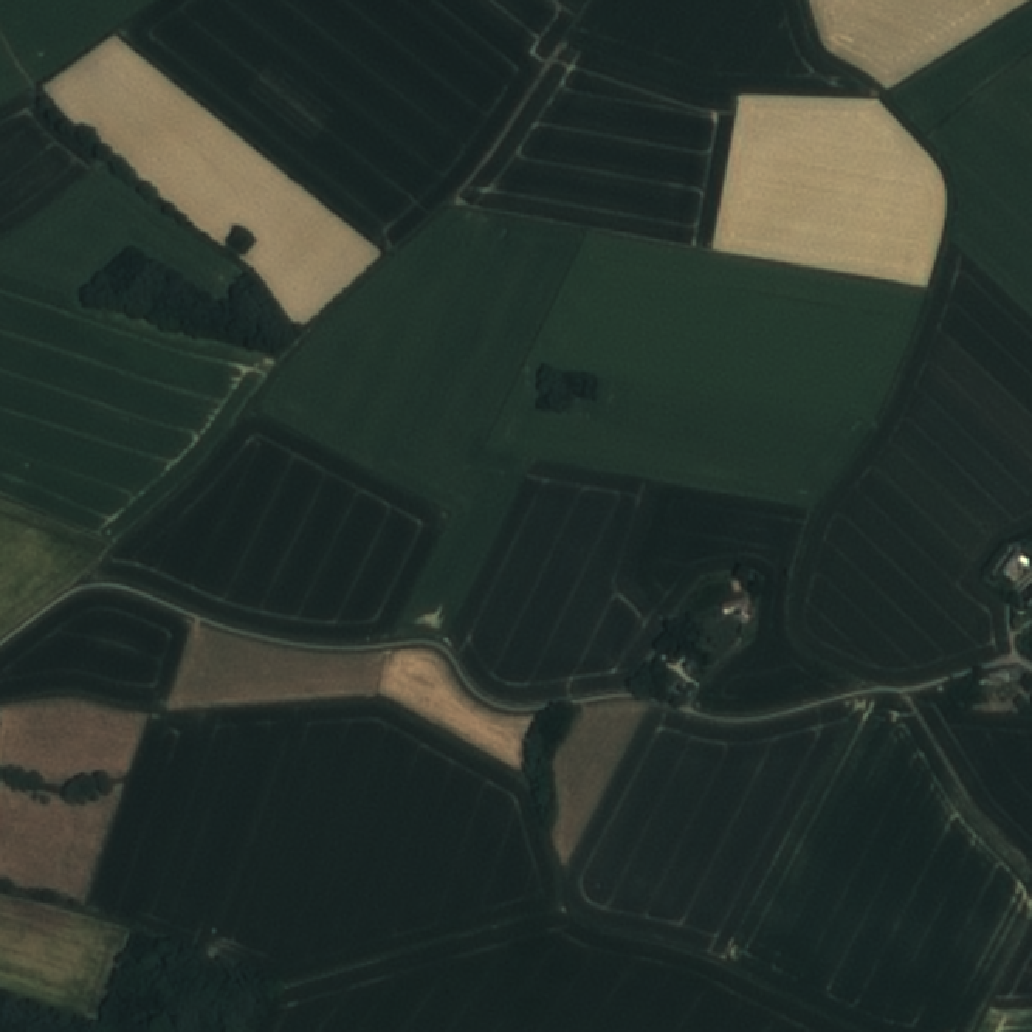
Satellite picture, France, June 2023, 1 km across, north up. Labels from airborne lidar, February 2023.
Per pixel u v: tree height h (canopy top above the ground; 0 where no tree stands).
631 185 0
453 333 0
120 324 0
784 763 0
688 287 0
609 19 0
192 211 0
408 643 0
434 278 0
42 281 0
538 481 0
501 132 0
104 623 0
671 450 0
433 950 0
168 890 0
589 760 0
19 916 0
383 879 0
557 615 0
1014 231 0
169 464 0
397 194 0
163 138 0
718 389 0
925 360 0
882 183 0
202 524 0
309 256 0
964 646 0
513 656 0
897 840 0
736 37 0
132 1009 20
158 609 0
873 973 0
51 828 0
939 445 0
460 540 0
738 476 0
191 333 14
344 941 0
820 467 0
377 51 0
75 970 0
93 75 0
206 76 0
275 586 0
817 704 0
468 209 0
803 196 0
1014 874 0
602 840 0
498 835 0
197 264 0
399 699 0
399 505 0
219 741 0
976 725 0
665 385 0
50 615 0
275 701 0
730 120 0
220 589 0
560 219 0
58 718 0
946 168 0
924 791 0
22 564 0
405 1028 0
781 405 0
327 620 0
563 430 0
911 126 0
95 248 0
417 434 0
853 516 0
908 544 0
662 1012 0
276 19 0
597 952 0
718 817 0
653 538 0
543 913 0
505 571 0
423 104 0
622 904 0
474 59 0
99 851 0
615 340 0
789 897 0
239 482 0
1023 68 0
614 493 0
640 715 0
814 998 0
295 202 0
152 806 0
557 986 0
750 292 0
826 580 0
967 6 0
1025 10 0
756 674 0
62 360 0
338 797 0
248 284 14
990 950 0
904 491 0
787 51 0
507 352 0
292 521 0
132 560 0
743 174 0
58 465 0
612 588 0
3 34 0
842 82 0
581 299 0
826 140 0
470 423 0
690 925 0
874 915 0
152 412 0
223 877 0
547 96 0
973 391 0
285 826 0
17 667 0
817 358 0
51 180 0
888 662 0
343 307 0
